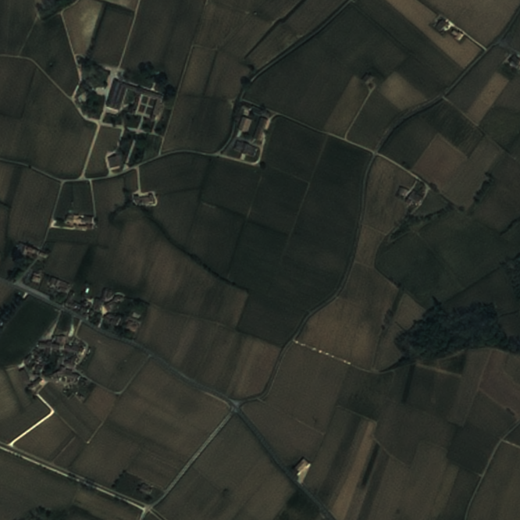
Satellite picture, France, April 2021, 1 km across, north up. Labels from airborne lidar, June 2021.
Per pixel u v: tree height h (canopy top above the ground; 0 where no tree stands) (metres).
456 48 0
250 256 0
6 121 0
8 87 0
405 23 0
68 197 0
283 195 0
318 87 0
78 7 0
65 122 0
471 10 0
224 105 0
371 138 0
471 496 0
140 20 0
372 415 0
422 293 0
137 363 0
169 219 0
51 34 0
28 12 0
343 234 0
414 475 0
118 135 0
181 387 0
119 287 0
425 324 10
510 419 0
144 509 0
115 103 0
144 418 0
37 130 0
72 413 0
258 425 0
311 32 0
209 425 0
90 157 0
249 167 0
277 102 0
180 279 0
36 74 0
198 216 0
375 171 0
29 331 0
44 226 0
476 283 0
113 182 0
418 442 0
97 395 0
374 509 0
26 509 0
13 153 0
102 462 0
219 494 0
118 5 0
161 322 0
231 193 0
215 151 0
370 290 0
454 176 0
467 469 0
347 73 0
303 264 0
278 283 0
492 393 0
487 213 0
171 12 0
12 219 0
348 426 0
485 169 0
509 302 0
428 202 0
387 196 0
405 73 0
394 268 0
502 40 0
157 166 0
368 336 0
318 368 0
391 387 0
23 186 0
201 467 0
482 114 0
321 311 0
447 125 0
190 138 0
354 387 0
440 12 0
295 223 0
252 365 0
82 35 0
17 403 0
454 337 11
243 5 0
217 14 0
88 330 0
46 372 11
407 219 7
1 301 0
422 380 0
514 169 0
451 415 0
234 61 0
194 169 0
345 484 0
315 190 0
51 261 0
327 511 0
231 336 0
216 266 0
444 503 0
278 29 0
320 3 0
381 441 0
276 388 0
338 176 0
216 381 0
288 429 0
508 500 0
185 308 0
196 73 0
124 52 0
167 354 0
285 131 0
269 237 0
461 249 0
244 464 0
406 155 0
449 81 0
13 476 0
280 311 0
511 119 0
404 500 0
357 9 0
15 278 7
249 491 0
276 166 0
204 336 0
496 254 0
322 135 0
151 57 0
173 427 0
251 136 11
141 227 0
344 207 0
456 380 0
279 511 0
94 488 20
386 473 0
